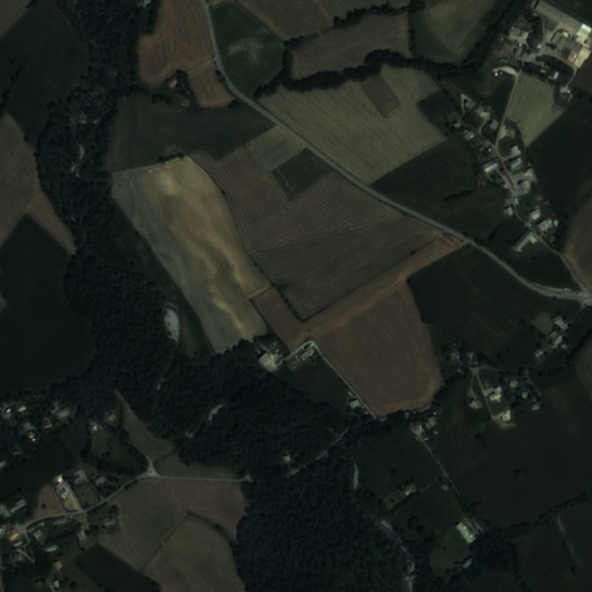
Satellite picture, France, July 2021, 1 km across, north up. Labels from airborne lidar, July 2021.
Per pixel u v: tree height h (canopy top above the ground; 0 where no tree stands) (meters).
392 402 0
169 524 0
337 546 18
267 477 17
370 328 0
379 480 0
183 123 0
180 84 12
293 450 14
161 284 0
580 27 0
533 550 0
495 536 17
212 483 0
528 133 0
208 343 0
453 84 0
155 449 0
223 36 0
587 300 0
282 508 17
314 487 19
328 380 0
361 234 0
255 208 0
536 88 0
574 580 0
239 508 0
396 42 0
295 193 0
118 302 18
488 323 0
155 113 0
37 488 0
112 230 17
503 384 15
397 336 0
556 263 0
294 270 0
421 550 21
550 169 0
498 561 28
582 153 0
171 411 17
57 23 0
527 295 0
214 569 0
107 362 21
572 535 0
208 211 0
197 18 0
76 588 13
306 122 0
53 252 0
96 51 16
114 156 0
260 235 0
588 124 0
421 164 0
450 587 10
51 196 16
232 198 0
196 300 0
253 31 0
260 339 13
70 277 20
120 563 0
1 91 0
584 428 0
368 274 0
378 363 0
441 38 0
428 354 0
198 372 17
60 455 0
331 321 0
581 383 0
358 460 9
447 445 0
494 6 0
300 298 0
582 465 0
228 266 0
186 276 0
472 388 0
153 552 0
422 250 0
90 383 18
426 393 0
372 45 0
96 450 0
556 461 0
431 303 0
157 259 0
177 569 0
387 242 0
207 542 0
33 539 6
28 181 0
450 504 0
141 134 0
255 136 0
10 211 0
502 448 0
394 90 0
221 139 0
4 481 0
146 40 0
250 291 0
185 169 0
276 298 0
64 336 0
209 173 0
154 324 9
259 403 25
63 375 0
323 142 0
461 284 0
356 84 0
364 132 0
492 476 0
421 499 0
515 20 0
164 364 18
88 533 14
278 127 0
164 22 0
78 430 0
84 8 16
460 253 0
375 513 6
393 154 0
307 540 21
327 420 11
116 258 15
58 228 0
